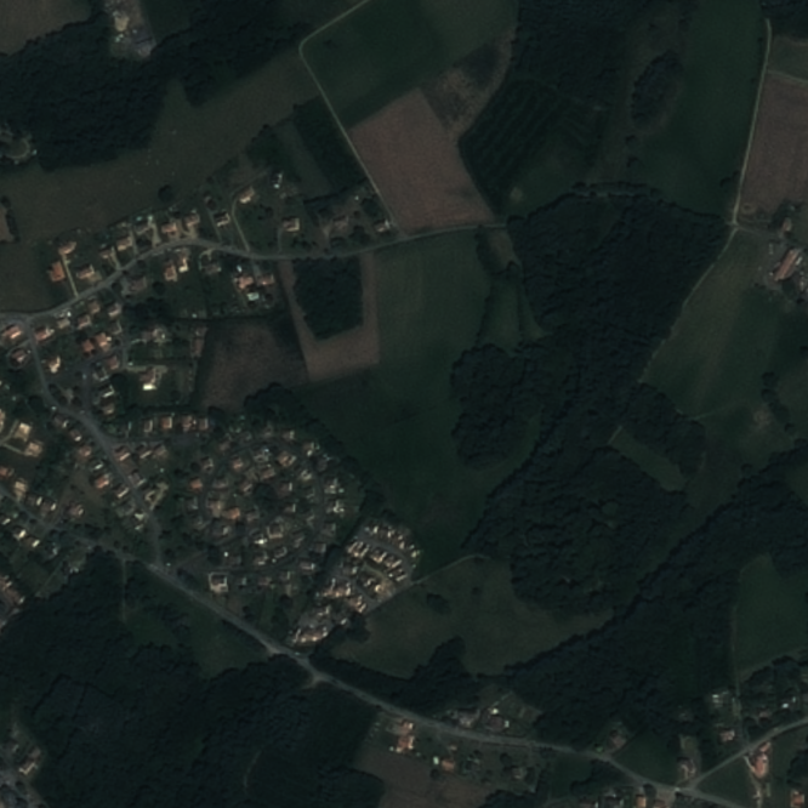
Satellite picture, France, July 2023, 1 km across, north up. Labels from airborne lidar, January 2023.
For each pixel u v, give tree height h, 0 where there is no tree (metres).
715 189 0
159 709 28
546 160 0
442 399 0
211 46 13
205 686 12
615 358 17
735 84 0
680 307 20
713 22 0
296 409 21
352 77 0
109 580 11
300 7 0
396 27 0
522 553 24
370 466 0
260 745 24
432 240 0
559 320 23
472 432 17
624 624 26
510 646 0
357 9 0
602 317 15
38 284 0
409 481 0
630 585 0
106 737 23
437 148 0
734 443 0
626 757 0
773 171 0
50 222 0
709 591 19
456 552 0
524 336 8
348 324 15
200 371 7
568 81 19
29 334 0
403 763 0
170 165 0
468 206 0
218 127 0
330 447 20
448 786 0
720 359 0
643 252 23
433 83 0
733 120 0
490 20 0
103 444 0
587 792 11
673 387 0
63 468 0
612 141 0
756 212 0
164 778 6
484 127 0
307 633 0
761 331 0
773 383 19
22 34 0
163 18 0
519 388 19
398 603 0
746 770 0
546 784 10
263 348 0
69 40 16
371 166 0
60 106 18
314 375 0
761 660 0
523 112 0
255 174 0
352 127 0
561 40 19
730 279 0
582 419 29
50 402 0
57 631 13
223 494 0
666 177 0
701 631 23
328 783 24
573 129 0
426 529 0
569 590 29
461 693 23
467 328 0
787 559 20
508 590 0
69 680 19
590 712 13
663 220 20
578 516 24
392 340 0
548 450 31
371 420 0
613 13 26
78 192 0
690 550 25
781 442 0
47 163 19
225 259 10
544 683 26
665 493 19
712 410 0
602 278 20
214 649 0
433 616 0
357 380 0
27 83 18
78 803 9
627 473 22
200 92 13
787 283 11
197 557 0
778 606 0
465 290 0
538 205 0
